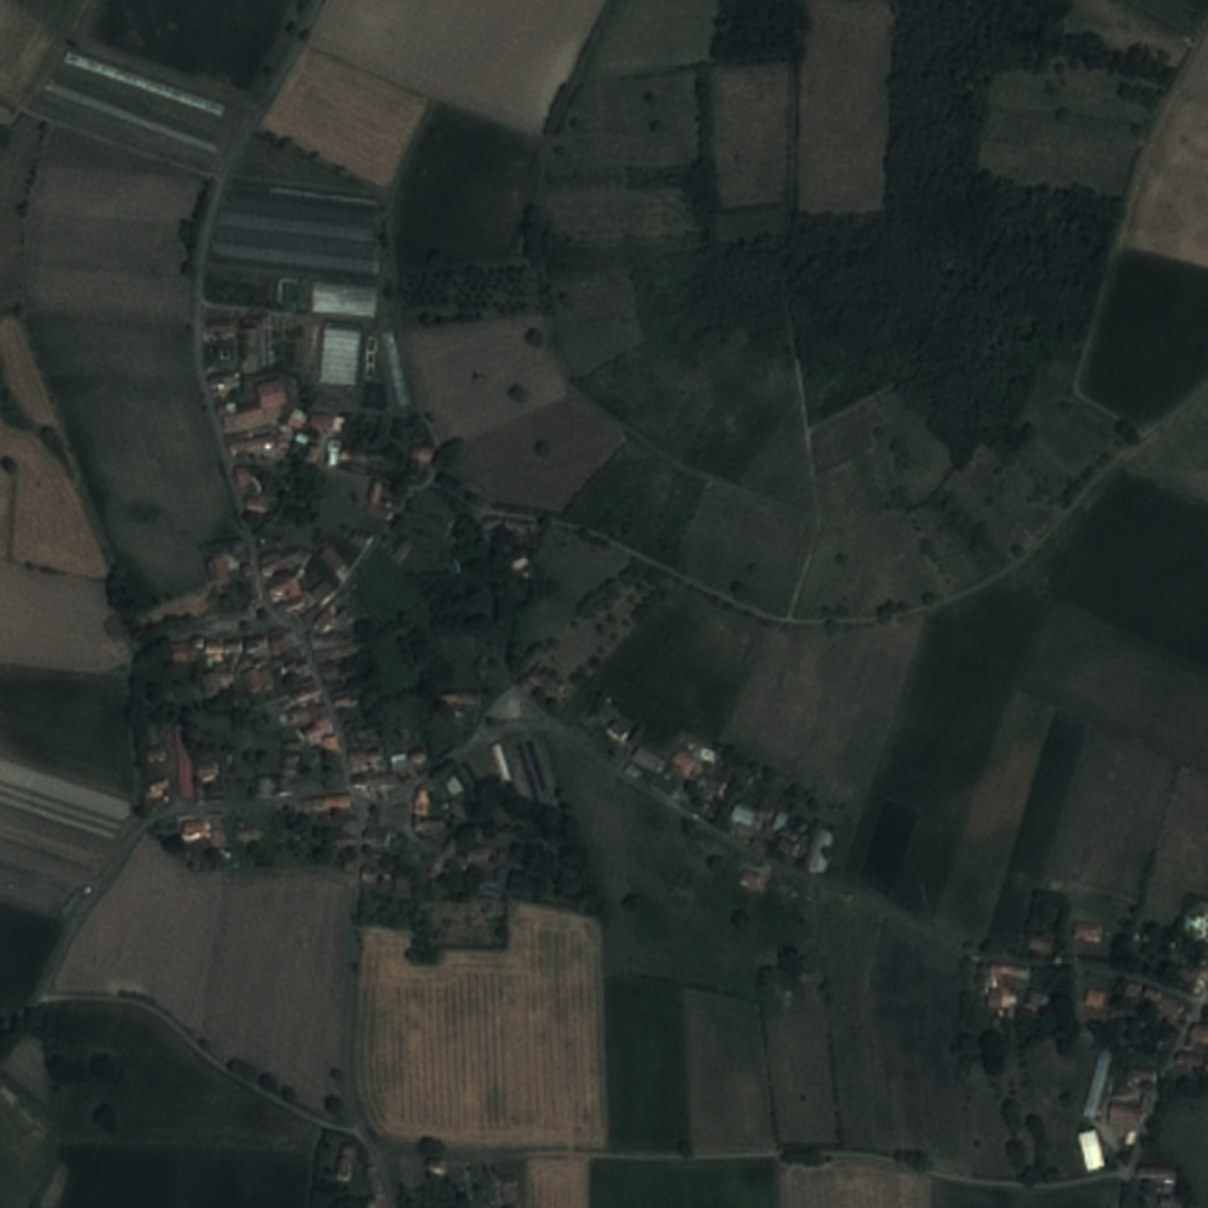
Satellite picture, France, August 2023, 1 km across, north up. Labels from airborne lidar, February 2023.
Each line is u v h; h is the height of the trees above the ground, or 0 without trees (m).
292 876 0
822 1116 0
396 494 10
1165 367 0
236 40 0
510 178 0
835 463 0
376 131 0
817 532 0
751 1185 0
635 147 0
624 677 0
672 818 0
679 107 0
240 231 0
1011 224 19
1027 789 0
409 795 0
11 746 0
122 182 0
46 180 0
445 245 0
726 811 7
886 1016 0
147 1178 0
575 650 0
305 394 7
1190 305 0
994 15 20
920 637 0
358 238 0
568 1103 0
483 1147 0
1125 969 19
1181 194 0
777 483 0
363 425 6
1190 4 0
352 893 0
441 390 0
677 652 0
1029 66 13
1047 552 0
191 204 0
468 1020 0
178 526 0
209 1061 0
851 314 12
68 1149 0
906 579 0
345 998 0
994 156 0
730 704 0
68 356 0
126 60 0
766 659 0
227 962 0
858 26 0
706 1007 0
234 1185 0
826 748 0
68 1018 0
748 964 0
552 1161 0
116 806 0
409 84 0
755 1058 0
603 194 0
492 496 0
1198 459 0
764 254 12
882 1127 0
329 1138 11
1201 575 0
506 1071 0
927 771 0
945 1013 0
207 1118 0
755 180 0
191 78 0
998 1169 0
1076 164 0
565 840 17
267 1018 0
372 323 0
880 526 0
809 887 0
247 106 0
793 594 0
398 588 0
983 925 0
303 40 9
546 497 0
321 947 0
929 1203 0
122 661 0
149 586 0
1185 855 0
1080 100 0
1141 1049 7
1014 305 20
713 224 5
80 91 0
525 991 0
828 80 0
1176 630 0
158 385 0
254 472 8
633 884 0
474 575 9
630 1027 0
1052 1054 0
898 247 15
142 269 0
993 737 0
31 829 0
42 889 0
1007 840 0
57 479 0
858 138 0
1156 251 0
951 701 0
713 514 0
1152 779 0
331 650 0
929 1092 0
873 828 0
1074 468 0
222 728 0
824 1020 0
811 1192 0
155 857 0
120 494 0
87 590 0
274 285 0
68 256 0
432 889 6
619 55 0
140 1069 0
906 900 0
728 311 10
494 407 0
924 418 11
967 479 0
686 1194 0
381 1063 0
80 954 0
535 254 12
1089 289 12
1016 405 18
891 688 0
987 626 0
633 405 0
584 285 0
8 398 11
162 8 0
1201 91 0
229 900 0
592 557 0
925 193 16
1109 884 0
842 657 0
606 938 0
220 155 0
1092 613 0
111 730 0
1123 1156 8
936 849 0
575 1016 0
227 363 0
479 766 0
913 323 11
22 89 0
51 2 0
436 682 10
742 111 0
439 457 9
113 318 0
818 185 0
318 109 0
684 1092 0
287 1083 0
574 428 0
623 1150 0
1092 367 0
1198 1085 9
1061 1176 13
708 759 0
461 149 0
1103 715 0
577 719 0
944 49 16
